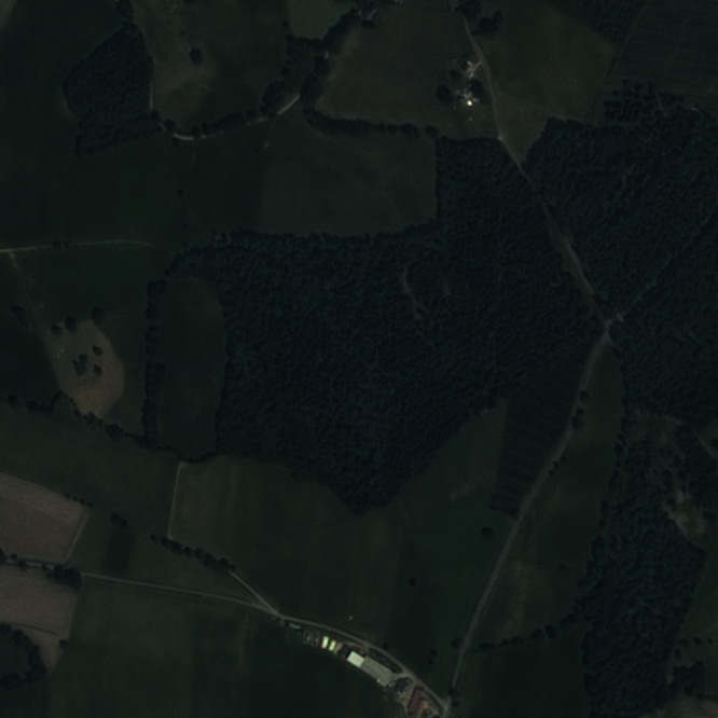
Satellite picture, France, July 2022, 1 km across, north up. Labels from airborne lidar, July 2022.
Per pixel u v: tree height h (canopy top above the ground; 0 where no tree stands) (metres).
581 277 0
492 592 0
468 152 20
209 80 0
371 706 0
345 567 0
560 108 0
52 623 0
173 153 0
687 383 8
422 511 0
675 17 0
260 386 24
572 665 0
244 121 18
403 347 21
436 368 20
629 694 26
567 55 0
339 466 11
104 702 0
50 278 0
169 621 0
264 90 0
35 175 0
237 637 0
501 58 0
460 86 0
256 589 0
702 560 17
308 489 0
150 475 0
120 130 24
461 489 0
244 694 0
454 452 0
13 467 0
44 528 0
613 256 27
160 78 0
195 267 19
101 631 0
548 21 0
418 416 24
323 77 11
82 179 0
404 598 0
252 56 0
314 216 0
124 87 22
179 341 0
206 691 0
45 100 0
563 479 0
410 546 0
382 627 0
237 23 0
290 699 0
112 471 0
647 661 17
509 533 0
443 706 0
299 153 0
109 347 0
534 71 0
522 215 21
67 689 0
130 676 0
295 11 0
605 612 20
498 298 20
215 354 0
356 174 0
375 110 0
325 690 0
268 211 0
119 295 0
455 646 15
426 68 0
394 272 16
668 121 7
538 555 0
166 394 0
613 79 0
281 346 21
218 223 0
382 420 24
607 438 0
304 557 0
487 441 0
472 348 24
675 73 0
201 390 0
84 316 0
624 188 7
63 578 15
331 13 0
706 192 28
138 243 0
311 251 19
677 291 21
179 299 0
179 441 0
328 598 0
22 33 0
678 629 15
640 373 22
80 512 0
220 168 0
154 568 0
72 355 0
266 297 23
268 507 0
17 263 0
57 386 0
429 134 15
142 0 0
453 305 17
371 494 18
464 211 19
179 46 0
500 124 0
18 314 15
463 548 0
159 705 0
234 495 0
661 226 25
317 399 24
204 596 0
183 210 0
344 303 20
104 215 0
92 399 0
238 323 22
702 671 14
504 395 16
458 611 0
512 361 21
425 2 0
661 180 28
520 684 0
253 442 20
